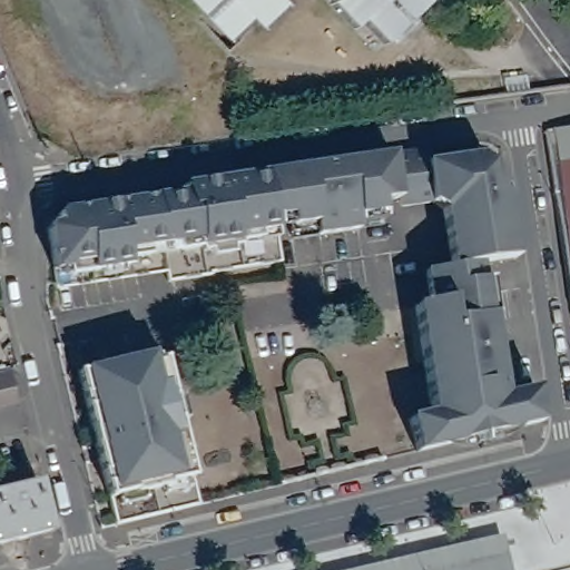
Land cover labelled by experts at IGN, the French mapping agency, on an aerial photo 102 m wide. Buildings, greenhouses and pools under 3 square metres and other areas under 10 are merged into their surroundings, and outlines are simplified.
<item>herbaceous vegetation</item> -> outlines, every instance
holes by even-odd
[[[454,89],[459,91],[459,98],[505,94],[505,78],[501,73],[494,73],[452,80]]]
[[[289,283],[274,281],[243,285],[243,296],[254,298],[265,294],[281,294],[289,289]]]
[[[281,367],[287,356],[285,352],[269,352],[265,358],[252,358],[254,370],[243,370],[238,379],[232,383],[229,392],[214,390],[207,394],[196,394],[187,390],[187,410],[191,414],[198,450],[203,456],[205,452],[214,450],[229,452],[227,463],[205,465],[203,474],[198,476],[198,483],[203,488],[220,485],[240,476],[243,443],[261,443],[256,414],[236,407],[240,394],[249,390],[254,383],[263,387],[265,410],[274,452],[278,456],[278,465],[285,468],[287,476],[312,472],[309,465],[318,459],[318,454],[314,454],[312,445],[298,445],[294,441],[287,441],[281,425],[276,387],[281,385]]]
[[[58,45],[53,42],[42,0],[0,0],[0,33],[4,33],[9,60],[13,62],[16,73],[27,89],[31,114],[36,116],[38,129],[42,131],[42,140],[67,151],[73,158],[73,163],[87,163],[87,167],[98,167],[100,158],[105,158],[105,151],[114,151],[114,156],[120,163],[138,160],[151,147],[158,145],[178,147],[185,138],[203,143],[223,140],[229,136],[223,118],[232,116],[232,107],[236,105],[236,76],[240,67],[234,58],[225,56],[225,49],[234,45],[232,40],[207,18],[207,13],[194,0],[143,0],[143,4],[147,4],[149,11],[154,11],[160,18],[163,31],[171,42],[174,56],[178,58],[180,78],[187,82],[187,89],[183,94],[160,96],[154,94],[154,89],[116,91],[116,85],[89,85],[82,76],[67,69],[67,62],[60,56]]]
[[[425,60],[439,65],[441,71],[443,73],[448,69],[474,69],[476,62],[468,53],[470,49],[452,45],[448,38],[432,36],[423,22],[416,29],[407,31],[401,42],[387,40],[385,45],[381,45],[374,42],[365,24],[350,27],[347,22],[343,22],[341,11],[334,11],[330,7],[330,0],[298,0],[298,4],[289,2],[289,7],[269,27],[265,27],[269,40],[263,45],[261,51],[254,51],[258,60],[292,62],[303,67],[307,73],[390,67],[403,60]]]
[[[332,345],[325,352],[334,367],[345,372],[356,414],[356,423],[350,428],[347,436],[338,436],[338,445],[356,450],[354,454],[358,461],[381,454],[381,450],[399,450],[412,443],[403,428],[403,421],[414,419],[419,410],[432,403],[421,352],[416,312],[407,314],[403,321],[403,327],[399,332],[392,332],[387,336],[381,334],[363,345],[354,341],[332,341]]]

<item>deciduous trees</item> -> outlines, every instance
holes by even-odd
[[[376,534],[370,534],[363,541],[370,546],[367,554],[385,554],[399,546],[392,537],[383,537],[379,530]]]
[[[423,22],[432,36],[448,38],[452,45],[470,49],[490,49],[505,47],[510,42],[521,42],[521,22],[514,20],[514,13],[501,0],[434,0],[434,4],[421,16]]]
[[[256,414],[265,410],[263,387],[254,383],[249,390],[240,394],[236,407]]]
[[[465,514],[456,512],[452,519],[441,523],[441,537],[452,539],[470,530],[463,523]]]
[[[178,372],[187,390],[196,394],[207,394],[214,390],[229,392],[232,383],[238,379],[243,370],[240,352],[232,345],[225,345],[225,341],[220,338],[220,330],[223,323],[236,316],[245,305],[243,296],[243,285],[243,281],[232,281],[227,285],[216,285],[214,289],[203,294],[207,309],[214,314],[214,323],[209,325],[209,330],[205,334],[180,338],[171,352],[176,354]]]
[[[316,557],[307,552],[305,557],[294,559],[294,570],[316,570],[321,561],[316,561]]]
[[[252,78],[252,71],[247,67],[240,67],[236,76],[236,105],[232,107],[232,116],[223,118],[229,136],[238,140],[269,140],[294,134],[323,134],[338,127],[358,127],[370,122],[428,122],[448,118],[448,114],[454,107],[454,100],[459,98],[459,91],[454,89],[452,80],[443,73],[441,71],[423,80],[410,76],[405,80],[387,80],[383,85],[372,85],[367,91],[363,91],[358,85],[341,85],[330,87],[321,94],[303,91],[296,96],[281,96],[276,100],[267,100],[254,87],[258,80]]]
[[[543,499],[528,494],[519,508],[528,519],[537,519],[539,510],[543,510]]]
[[[354,341],[363,345],[381,334],[381,312],[370,296],[363,296],[363,301],[356,303],[345,303],[350,316],[354,318]]]
[[[267,472],[261,443],[243,443],[240,476]]]
[[[100,483],[100,488],[94,490],[94,497],[98,499],[98,503],[102,503],[102,510],[94,519],[96,523],[114,521],[114,490],[109,481]]]

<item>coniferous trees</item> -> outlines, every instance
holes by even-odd
[[[570,0],[521,0],[530,9],[550,9],[552,18],[559,24],[570,27]]]
[[[332,341],[354,341],[354,318],[350,316],[345,303],[327,305],[321,312],[321,325],[307,330],[316,338],[314,347],[325,352],[332,345]]]

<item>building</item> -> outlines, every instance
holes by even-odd
[[[18,403],[18,390],[11,387],[16,383],[16,372],[0,370],[0,410]]]
[[[176,354],[171,352],[167,352],[165,347],[147,347],[85,365],[85,383],[89,392],[89,403],[94,407],[94,419],[102,454],[107,461],[109,481],[114,490],[116,494],[122,494],[134,490],[169,488],[169,492],[185,494],[191,490],[189,479],[198,476],[203,474],[205,465],[203,456],[198,450],[191,414],[187,410],[187,390],[178,372]]]
[[[385,45],[387,40],[401,42],[407,31],[416,29],[423,22],[421,16],[434,4],[434,0],[330,0],[330,7],[334,11],[341,11],[343,22],[347,22],[350,27],[365,24],[374,42],[381,45]]]
[[[265,27],[269,27],[289,7],[289,2],[298,4],[298,0],[194,0],[207,13],[207,18],[232,40],[240,36],[252,22],[261,22]]]
[[[24,541],[31,537],[49,534],[58,528],[60,521],[56,519],[51,505],[51,481],[47,476],[31,476],[0,485],[0,546],[9,541]]]
[[[559,200],[559,216],[570,272],[570,125],[548,129],[554,191]]]
[[[448,448],[459,436],[468,436],[476,430],[488,428],[492,428],[492,439],[497,439],[503,436],[505,430],[512,430],[517,425],[539,425],[546,416],[546,405],[554,399],[554,387],[546,381],[534,381],[534,387],[517,390],[510,347],[494,345],[494,336],[499,332],[499,316],[503,316],[501,292],[505,289],[505,281],[492,274],[490,263],[519,258],[523,256],[523,249],[517,249],[512,240],[510,227],[512,218],[517,216],[514,191],[503,187],[503,167],[494,165],[494,151],[490,151],[483,145],[443,154],[434,154],[428,147],[416,151],[403,147],[379,147],[276,163],[265,169],[240,167],[218,174],[198,174],[183,185],[183,189],[160,187],[69,203],[56,216],[49,229],[51,247],[56,252],[56,287],[60,289],[60,296],[71,294],[73,287],[118,283],[156,274],[167,274],[169,283],[185,283],[225,272],[229,274],[272,267],[285,261],[283,240],[318,245],[323,236],[361,232],[367,225],[383,225],[390,220],[394,207],[419,207],[439,203],[445,216],[452,261],[436,263],[428,269],[430,296],[425,296],[416,305],[416,312],[421,352],[432,403],[419,410],[414,419],[403,421],[403,428],[412,443],[416,448],[425,448],[425,452],[432,452],[439,448]]]
[[[510,548],[514,546],[514,541],[497,532],[492,537],[481,537],[347,570],[514,570]]]

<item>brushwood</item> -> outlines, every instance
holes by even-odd
[[[243,281],[243,285],[274,281],[289,283],[292,269],[285,261],[272,267],[229,274],[232,281]]]
[[[220,485],[203,488],[203,499],[214,499],[229,492],[258,490],[272,483],[281,483],[287,476],[285,468],[278,465],[278,456],[274,452],[265,410],[256,414],[261,443],[267,472],[240,476]]]
[[[203,456],[205,465],[227,463],[229,452],[214,450],[205,452]]]
[[[327,430],[327,445],[332,454],[330,459],[321,454],[321,441],[316,434],[303,434],[289,421],[285,394],[292,392],[292,370],[303,358],[321,361],[330,381],[338,383],[343,394],[345,414],[338,419],[338,428]],[[338,436],[347,436],[350,428],[356,423],[356,414],[345,372],[334,367],[325,352],[314,347],[296,347],[296,352],[287,356],[281,367],[281,385],[276,387],[281,425],[287,441],[294,441],[298,445],[312,445],[314,454],[318,454],[318,459],[309,465],[312,472],[318,468],[332,468],[336,463],[358,461],[354,454],[356,450],[338,445]]]
[[[240,352],[243,370],[254,370],[252,358],[245,330],[249,307],[245,305],[236,316],[223,323],[220,330],[220,338],[225,341],[225,345],[232,345]]]

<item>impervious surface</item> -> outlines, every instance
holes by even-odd
[[[187,89],[187,82],[180,78],[178,58],[174,56],[171,42],[163,31],[160,18],[154,11],[149,11],[147,4],[143,4],[143,0],[42,0],[53,42],[58,45],[60,56],[67,62],[67,69],[82,76],[89,85],[116,85],[116,91],[154,89],[154,94],[160,96],[183,94]]]
[[[24,541],[9,541],[0,546],[0,570],[294,570],[294,559],[305,557],[307,552],[316,557],[316,561],[321,561],[316,570],[347,570],[481,537],[492,537],[497,532],[514,541],[514,546],[510,548],[514,570],[570,570],[570,272],[559,216],[559,200],[554,191],[548,129],[570,125],[570,27],[559,24],[552,18],[550,9],[530,9],[521,0],[501,0],[514,13],[514,20],[521,22],[521,42],[521,49],[532,65],[530,69],[523,69],[523,73],[510,73],[505,78],[505,94],[459,98],[454,100],[454,107],[448,114],[448,118],[428,122],[370,122],[358,127],[338,127],[323,134],[294,134],[269,140],[238,140],[229,136],[223,140],[203,143],[185,138],[178,147],[158,145],[151,147],[138,160],[120,163],[114,156],[114,151],[105,151],[105,158],[100,158],[98,167],[87,167],[87,163],[73,163],[73,158],[67,151],[42,140],[42,131],[38,129],[36,116],[31,114],[27,89],[16,73],[13,62],[9,60],[4,33],[0,33],[0,370],[16,372],[16,383],[11,387],[18,390],[18,403],[0,410],[0,485],[31,476],[47,476],[51,481],[51,505],[56,519],[60,521],[58,528],[49,534],[31,537]],[[534,381],[546,381],[554,387],[554,399],[546,405],[546,416],[539,425],[517,425],[512,430],[505,430],[503,436],[497,439],[492,439],[492,428],[488,428],[476,430],[468,436],[459,436],[448,448],[439,448],[432,452],[425,452],[425,448],[416,448],[412,443],[399,450],[381,450],[381,454],[358,461],[336,463],[332,468],[318,468],[312,472],[287,476],[281,483],[272,483],[258,490],[229,492],[214,499],[203,499],[203,488],[198,483],[198,476],[189,479],[191,490],[185,494],[169,492],[169,488],[134,490],[122,494],[116,494],[114,490],[114,521],[96,523],[94,519],[102,510],[102,503],[98,503],[98,499],[94,497],[94,490],[100,488],[100,483],[109,481],[107,461],[102,454],[94,419],[94,407],[89,403],[89,392],[85,383],[85,365],[147,347],[165,347],[167,352],[171,352],[180,338],[205,334],[209,330],[209,325],[214,323],[214,314],[207,309],[203,294],[214,289],[216,285],[227,285],[232,281],[229,274],[225,272],[185,283],[169,283],[167,274],[156,274],[118,283],[73,287],[71,294],[60,296],[60,289],[56,287],[56,252],[51,247],[49,229],[56,216],[69,203],[160,187],[183,189],[183,185],[198,174],[218,174],[240,167],[265,169],[276,163],[379,147],[403,147],[416,151],[428,147],[434,154],[443,154],[483,145],[490,151],[494,151],[494,165],[503,167],[503,187],[514,191],[517,216],[512,218],[510,227],[512,240],[517,249],[523,249],[523,256],[519,258],[490,263],[492,274],[505,281],[505,289],[501,292],[503,316],[499,316],[499,332],[494,336],[494,345],[510,347],[517,390],[534,387]],[[539,510],[537,519],[528,519],[519,508],[528,494],[543,499],[543,510]],[[470,530],[452,539],[441,537],[441,523],[452,519],[456,512],[465,514],[463,523]],[[367,554],[370,546],[363,541],[370,534],[376,534],[379,530],[383,537],[392,537],[399,546],[385,554]]]
[[[363,301],[363,296],[370,296],[381,312],[401,307],[403,321],[407,314],[416,312],[416,305],[425,296],[430,296],[428,269],[436,263],[452,261],[445,216],[439,203],[419,207],[394,207],[390,220],[383,225],[367,225],[361,232],[323,236],[318,245],[283,240],[285,261],[292,269],[289,283],[289,289],[281,294],[265,294],[254,298],[243,296],[245,305],[249,307],[245,330],[265,325],[292,325],[294,321],[298,321],[307,330],[321,325],[321,312],[327,305],[345,303],[356,303]]]

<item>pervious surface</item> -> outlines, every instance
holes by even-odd
[[[330,381],[321,361],[303,358],[292,370],[292,392],[285,394],[289,421],[303,434],[316,434],[321,441],[321,454],[330,459],[332,454],[327,445],[327,430],[338,428],[338,419],[345,414],[343,394],[338,383]]]
[[[523,73],[523,69],[530,69],[532,65],[521,49],[521,42],[510,42],[505,47],[490,49],[470,49],[468,53],[476,62],[474,69],[448,69],[443,73],[452,80],[494,73],[501,73],[505,78],[510,73]]]
[[[403,327],[403,321],[401,307],[381,312],[381,334],[387,336],[392,332],[399,332]]]
[[[265,358],[269,352],[285,352],[287,356],[296,352],[296,347],[314,347],[316,338],[307,330],[298,321],[294,321],[292,325],[265,325],[245,330],[252,358]]]
[[[254,87],[267,100],[276,100],[281,96],[296,96],[303,91],[321,94],[330,87],[341,85],[358,85],[363,91],[367,91],[372,85],[383,85],[387,80],[405,80],[410,76],[423,80],[441,71],[439,65],[425,60],[403,60],[390,67],[307,73],[303,67],[292,62],[258,60],[254,51],[261,51],[263,45],[269,40],[265,27],[261,22],[252,22],[240,36],[232,40],[234,45],[225,49],[225,56],[234,58],[240,67],[247,67],[252,71],[252,78],[258,80]]]

